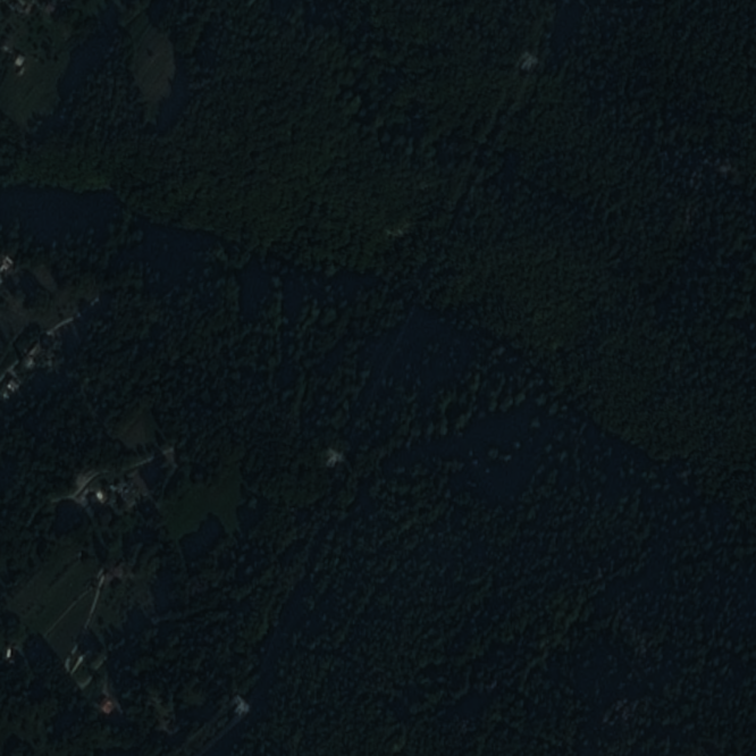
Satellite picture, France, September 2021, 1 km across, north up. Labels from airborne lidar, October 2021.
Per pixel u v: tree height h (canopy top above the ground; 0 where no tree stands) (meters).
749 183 32
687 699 22
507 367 31
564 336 30
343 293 33
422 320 15
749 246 25
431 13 24
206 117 25
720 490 23
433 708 25
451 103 24
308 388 29
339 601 27
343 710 25
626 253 33
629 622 32
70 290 21
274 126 21
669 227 30
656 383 20
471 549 28
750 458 24
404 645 26
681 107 23
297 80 19
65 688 30
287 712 21
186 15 21
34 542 16
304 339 20
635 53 30
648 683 17
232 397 29
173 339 30
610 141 19
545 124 21
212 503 0
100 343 22
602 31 21
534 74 10
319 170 19
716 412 22
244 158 26
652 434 24
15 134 10
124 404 25
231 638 29
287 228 29
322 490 25
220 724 22
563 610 24
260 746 28
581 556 25
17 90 0
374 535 30
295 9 19
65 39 0
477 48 22
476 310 19
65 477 20
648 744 27
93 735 16
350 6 36
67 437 17
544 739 24
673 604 34
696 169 27
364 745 23
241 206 20
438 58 31
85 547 12
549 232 21
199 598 25
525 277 23
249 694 13
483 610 25
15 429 27
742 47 26
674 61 28
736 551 32
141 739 26
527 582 34
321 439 29
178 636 18
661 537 26
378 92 25
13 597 7
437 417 32
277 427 34
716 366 30
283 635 21
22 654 0
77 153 18
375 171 15
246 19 30
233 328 26
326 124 21
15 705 19
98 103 22
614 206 34
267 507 22
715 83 30
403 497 21
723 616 32
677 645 22
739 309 32
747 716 27
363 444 33
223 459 27
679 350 29
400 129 26
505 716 34
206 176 23
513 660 35
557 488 18
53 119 0
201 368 28
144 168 29
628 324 16
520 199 24
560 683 31
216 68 27
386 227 15
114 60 18
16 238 26
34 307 20
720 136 28
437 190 15
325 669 26
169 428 27
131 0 6
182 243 35
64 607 0
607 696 8
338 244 24
